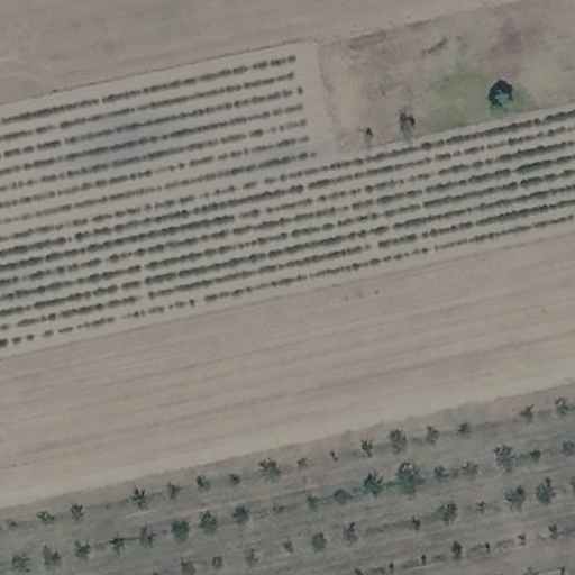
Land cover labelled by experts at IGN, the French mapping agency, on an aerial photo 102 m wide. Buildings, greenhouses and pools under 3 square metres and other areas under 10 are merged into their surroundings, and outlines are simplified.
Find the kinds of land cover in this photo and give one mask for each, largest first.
<instances>
[{"label":"agricultural land","instance_id":"1","mask_svg":"<svg viewBox=\"0 0 575 575\"><path fill-rule=\"evenodd\" d=\"M281 56L296 58L294 63H285L279 67L243 72L204 83L182 85L173 90L139 94L133 99H119L112 103H99L0 126V135L294 72L292 81L155 108L146 112H130L115 119L49 130L43 135L20 137L0 144V153L52 139H67L74 135L97 133L121 124L189 112L227 101L272 94L279 90L303 88V94H292L276 101L231 108L193 119L137 128L110 137L0 159V168L79 153L97 146H112L139 137L173 133L180 128L225 121L294 103L303 106L301 112L279 115L209 133L153 142L117 153H103L74 162L0 175V184L146 155L173 146L220 139L236 133L263 130L288 121H308L303 128L281 130L222 146L189 150L150 162H137L128 166L106 168L99 173H88L79 177L0 193V202L36 195L43 191L67 189L83 182H97L168 164L191 162L198 157L274 144L281 139L303 135L308 137V144H294L256 155L211 162L121 184L99 186L72 195H56L40 202L0 209V218L112 195L130 189L166 184L274 157L308 150L317 153V157L312 159L290 162L283 166L240 173L234 177L177 186L159 193H146L137 198L94 204L85 209H72L65 213L31 218L0 227V236L43 225H58L76 218H92L119 209H133L139 204H153L150 211H139L133 216L76 225L58 231H45L0 243V249L31 245L52 238H65L63 245H52L0 258V265L47 256L54 252L88 247L94 243L117 240L126 236H137L144 231L245 213L252 209H267L285 202L319 198L326 193L380 184L389 180H402L418 173L449 168L456 164H472L505 153L575 139V133H562L555 137L501 146L494 150H483L463 157H449L442 162H431L427 166L371 175L341 184H328L321 189H310V182L413 162L422 157H436L454 150H467L474 146L508 142L523 135L548 133L553 128L575 126V117L494 137L409 153L400 157H386L359 166L292 177L274 184H265V177L575 110V0H0V119L49 106L106 97L175 79H189L227 67L252 65L258 61H272ZM512 88L526 92L532 99V103L526 112L501 115L494 108V103L499 101V94H508L512 92ZM299 184L301 193L216 209L164 222H150L115 234L76 240V234L81 231L115 227L130 220L186 211L211 202L236 200ZM225 186H236L234 193L155 209V202L195 195ZM575 155V146L553 153L528 155L512 162H499L481 168H467L460 173L438 175L420 182H407L371 193L312 202L308 207H296L288 211L258 213L256 218H236L225 225L157 236L101 252L0 272V279L54 270L61 265L85 263L92 258L137 252L142 247H153L162 243L186 240L245 225H261L265 220L292 218L299 213L344 207L362 200H377L382 195L427 189L433 184L465 180L472 175H483L501 168H519L532 162ZM575 168V162L485 180L476 184L454 186L445 191L420 193L416 198L362 207L335 216L288 222L281 227L247 231L240 236L195 243L189 247L164 249L157 254H144L117 263L108 261L99 263L97 267L52 274L34 281H18L0 288V294L40 288L58 281H72L110 270H124L130 265H148L153 261L204 252L231 243L256 240L294 229L339 222L346 218L389 211L436 198L460 195L467 191H481L490 186H501L528 177ZM575 184V175L530 184L514 191L472 198L463 202L425 207L418 211L357 222L339 229H326L308 236H294L276 243L234 249L155 270H139L135 274H124L106 281L0 301V310L117 285V292L112 294L0 317V508L137 481L148 474L189 469L204 463L225 460L231 456L267 451L283 445L310 442L328 436H339L344 431H362L377 422H389L395 429V425L404 418L458 409L469 402H487L501 395L550 389L575 380V220L476 245H463L445 252H433V245L575 213V207L472 227L465 231H454L433 238H422V231L575 198V191L465 213L407 229H395V222ZM375 227H386V231L377 236L353 238L337 245L312 247L276 258H263L236 267L146 285V276L213 265L238 256L283 249L290 245H301L310 240L332 238ZM359 245H371L368 252L321 261L303 267L276 270L191 292L148 299V292L155 290H166L247 270H261L265 265L299 261ZM420 247H429V254L425 256L402 258L395 263H382L357 272L321 276L211 303L204 299L207 294L216 292L238 290L296 274H310L317 270L350 265ZM126 296L137 299L130 305L76 314L36 326H20L22 319H34L94 303H108ZM103 317H115V323L74 330L67 335L43 337L45 330L76 326Z\"/></svg>","mask_w":575,"mask_h":575},{"label":"herbaceous vegetation","instance_id":"2","mask_svg":"<svg viewBox=\"0 0 575 575\"><path fill-rule=\"evenodd\" d=\"M499 447H510L512 454L537 449L539 460L505 472L496 458ZM404 460L411 469H418L422 478V485L416 494H404L402 490L393 487L386 494H366L359 501L335 503L328 508L310 510L308 505V496H323L337 490H348L362 483L366 476H377L380 481H395L400 463ZM467 463L476 465V476L456 481H442L436 476V467L447 469ZM144 526L153 532V546L128 544L121 548H112L115 537L139 535ZM0 575H575V380L550 389L501 395L487 402H469L458 409L404 418L395 425V429L389 422H377L362 431H344L339 436H328L310 442L283 445L267 451L231 456L225 460L204 463L189 469L148 474L137 481L0 508Z\"/></svg>","mask_w":575,"mask_h":575},{"label":"brushwood","instance_id":"3","mask_svg":"<svg viewBox=\"0 0 575 575\"><path fill-rule=\"evenodd\" d=\"M296 58L281 56L272 61H258L252 65L227 67L189 79H175L106 97L49 106L0 119V126L99 103H112L119 99H133L139 94L173 90L182 85L204 83L243 72L279 67L285 63H294ZM294 72L0 135V144L20 137L43 135L49 130L115 119L130 112H146L155 108L292 81ZM292 94H303V88L279 90L272 94L227 101L189 112L121 124L97 133L74 135L67 139H52L0 153V159L110 137L137 128L193 119L231 108L276 101ZM303 106L294 103L225 121L180 128L173 133L139 137L112 146H97L79 153L0 168V175L74 162L103 153H117L153 142L209 133L279 115L301 112ZM575 117V110L265 177V184H274L292 177L359 166L386 157H400L409 153L494 137ZM308 121H288L263 130L236 133L220 139L173 146L146 155L0 184V193L79 177L88 173H99L106 168L128 166L137 162H150L189 150L222 146L281 130L303 128ZM562 133H575V126L553 128L548 133L523 135L508 142L474 146L467 150H454L436 157H422L413 162L310 182V189H321L328 184H341L371 175L427 166L431 162H442L449 157H463L483 150H494L501 146L555 137ZM294 144H308V137L303 135L281 139L274 144L198 157L191 162L168 164L97 182H83L67 189L43 191L36 195L0 202V209L40 202L56 195H72L99 186L121 184L211 162L256 155ZM575 146V139L505 153L472 164H456L449 168L418 173L402 180H389L380 184L326 193L319 198L285 202L267 209H252L245 213L144 231L137 236H126L117 240L94 243L88 247L54 252L47 256L0 265V272L101 252L157 236L225 225L236 218H256L258 213L288 211L296 207H308L312 202L371 193L407 182H420L438 175L460 173L467 168H481L499 162H512L528 155L553 153ZM317 157V153L308 150L274 157L166 184L130 189L112 195L0 218V227L31 218L65 213L72 209H85L94 204L137 198L146 193H159L177 186L234 177L240 173L283 166L290 162L312 159ZM575 162V155L532 162L519 168H501L483 175H472L465 180L433 184L427 189L382 195L377 200H362L344 207L299 213L292 218L265 220L261 225H245L186 240L162 243L153 247H142L137 252L92 258L85 263L61 265L54 270L0 279V288L18 281H34L52 274L97 267L99 263L108 261L117 263L144 254H157L164 249L189 247L195 243L240 236L247 231L281 227L288 222L335 216L362 207L416 198L420 193L445 191L454 186L476 184L485 180ZM575 175V168L528 177L501 186H490L481 191H467L460 195L436 198L389 211L346 218L339 222L294 229L256 240L231 243L204 252L153 261L148 265H130L124 270H110L72 281H58L40 288L0 294V301L106 281L124 274H135L139 270H155L234 249L276 243L294 236H308L326 229H339L357 222L418 211L425 207L463 202L472 198L514 191L530 184ZM301 193L299 184L236 200L211 202L186 211L130 220L115 227L81 231L76 234V240L115 234L150 222H164L216 209ZM575 191V184L395 222V229H407L465 213ZM236 186H225L195 195L155 202V209L234 193ZM575 207V198L422 231V238H433L454 231H465L472 227ZM153 204H139L133 209H119L92 218H76L58 225H43L0 236V243L45 231H58L76 225L133 216L139 211H150ZM575 220V213L433 245V252H445L463 245H476ZM386 231V227H375L332 238L310 240L301 245H290L283 249L238 256L213 265L146 276V285L236 267L263 258H276L312 247L337 245L353 238L377 236ZM65 238H52L31 245L0 249V258L52 245H63ZM371 245H359L299 261L265 265L261 270H247L166 290H155L148 292V299L191 292L276 270L303 267L321 261L368 252ZM429 254V247H420L350 265L317 270L310 274H296L238 290L216 292L207 294L204 299L211 303L321 276L357 272L382 263H395L402 258L425 256ZM117 292V285L0 310V317L112 294ZM137 299L126 296L108 303H94L34 319H22L20 326H36L76 314L130 305ZM115 323V317H103L76 326L45 330L43 337L67 335L74 330Z\"/></svg>","mask_w":575,"mask_h":575},{"label":"deciduous trees","instance_id":"4","mask_svg":"<svg viewBox=\"0 0 575 575\"><path fill-rule=\"evenodd\" d=\"M532 103V99L526 92L512 88V92L508 94H499V101L494 103V108L501 115L526 112ZM496 458L505 472L539 460L537 449L512 454L510 447H499ZM422 485V478L418 469H411L404 460L400 463L395 481H380L377 476H366L362 483L348 490H337L323 496H308V505L310 510L328 508L335 503L359 501L366 494H386L393 487L402 490L404 494H416ZM436 476L442 481H456L476 476V465L467 463L447 469L436 467ZM153 532L144 526L139 535L115 537L112 548H121L128 544L153 546Z\"/></svg>","mask_w":575,"mask_h":575}]
</instances>
